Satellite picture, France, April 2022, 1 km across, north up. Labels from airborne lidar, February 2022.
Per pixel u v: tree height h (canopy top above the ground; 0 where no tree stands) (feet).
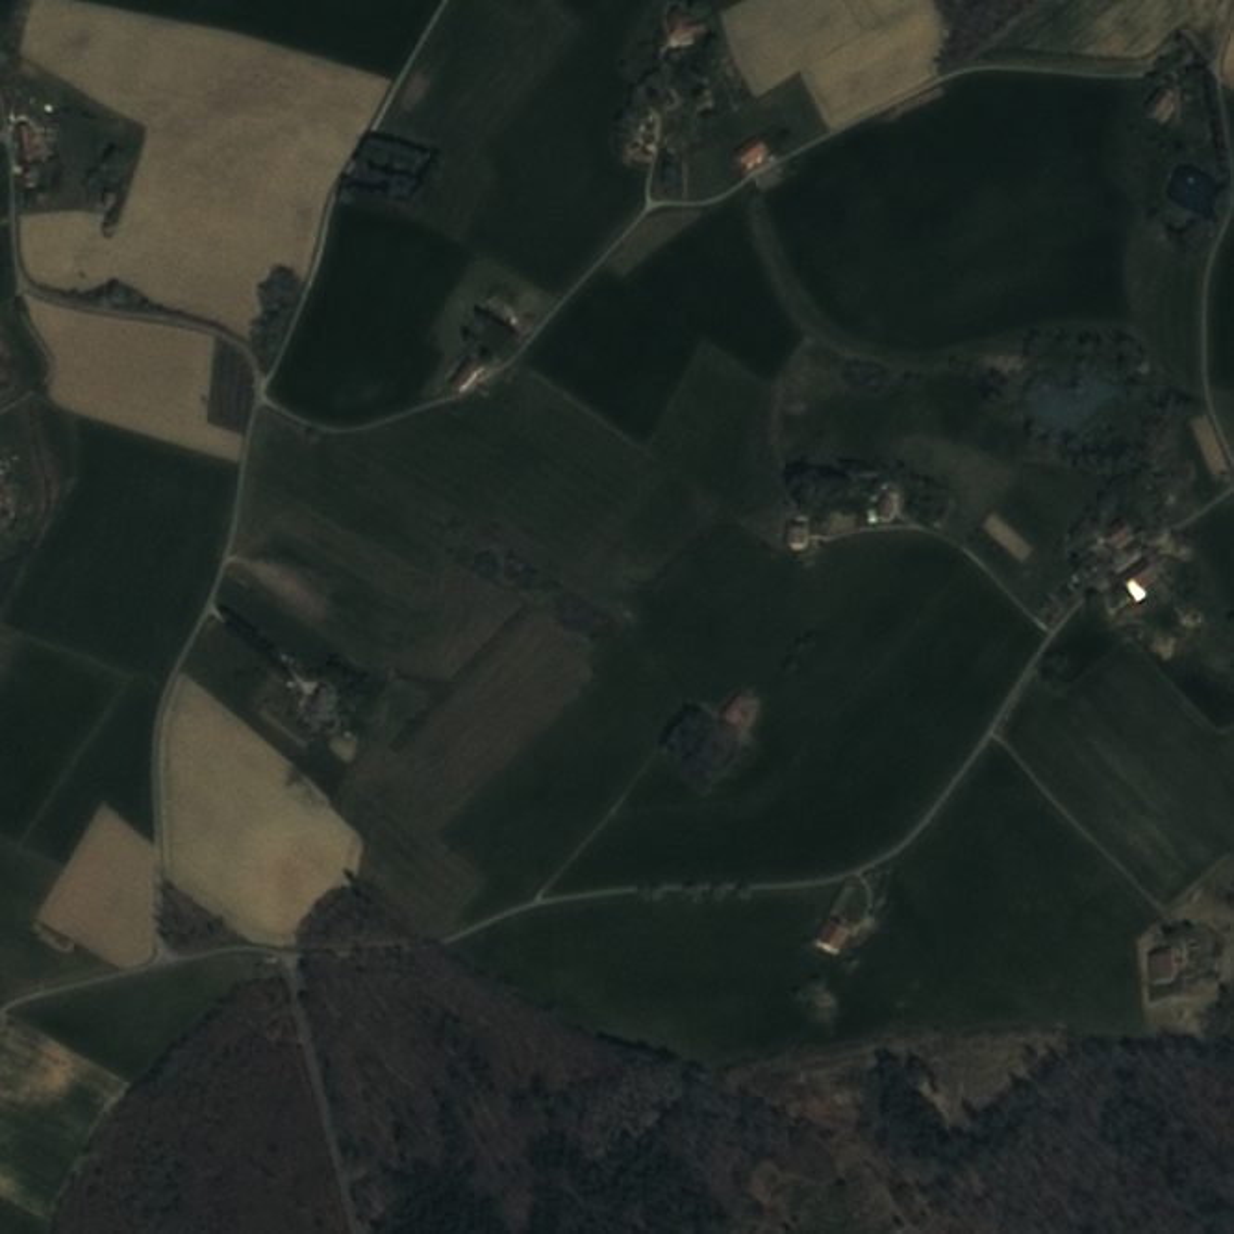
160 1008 0
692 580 0
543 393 0
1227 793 0
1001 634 0
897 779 0
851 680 0
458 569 0
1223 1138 60
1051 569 0
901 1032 0
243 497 0
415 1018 47
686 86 0
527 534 0
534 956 0
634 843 0
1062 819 0
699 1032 0
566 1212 55
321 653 0
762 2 0
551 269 0
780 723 0
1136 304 0
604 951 0
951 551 0
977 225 0
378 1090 57
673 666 0
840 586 0
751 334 0
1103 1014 0
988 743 0
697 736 76
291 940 0
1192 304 0
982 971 0
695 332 0
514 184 0
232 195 0
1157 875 0
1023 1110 63
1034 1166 99
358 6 0
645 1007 0
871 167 0
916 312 0
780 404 0
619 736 0
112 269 0
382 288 0
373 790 0
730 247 0
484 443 0
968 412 0
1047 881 0
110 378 0
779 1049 0
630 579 0
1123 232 0
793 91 0
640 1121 73
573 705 0
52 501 0
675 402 0
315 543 0
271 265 0
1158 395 0
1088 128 0
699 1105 71
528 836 0
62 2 0
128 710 0
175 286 0
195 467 0
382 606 0
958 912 0
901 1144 67
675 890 0
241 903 0
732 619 0
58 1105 0
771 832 0
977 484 0
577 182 0
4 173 0
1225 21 0
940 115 0
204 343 0
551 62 0
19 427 0
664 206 0
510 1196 53
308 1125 27
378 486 0
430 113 0
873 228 0
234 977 0
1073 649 0
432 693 0
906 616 0
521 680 0
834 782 0
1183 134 0
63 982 0
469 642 0
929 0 0
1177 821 0
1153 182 0
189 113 0
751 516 0
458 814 0
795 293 0
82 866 0
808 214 0
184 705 0
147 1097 31
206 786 0
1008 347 0
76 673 0
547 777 0
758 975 0
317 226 0
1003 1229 110
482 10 0
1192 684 0
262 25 0
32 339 0
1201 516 0
